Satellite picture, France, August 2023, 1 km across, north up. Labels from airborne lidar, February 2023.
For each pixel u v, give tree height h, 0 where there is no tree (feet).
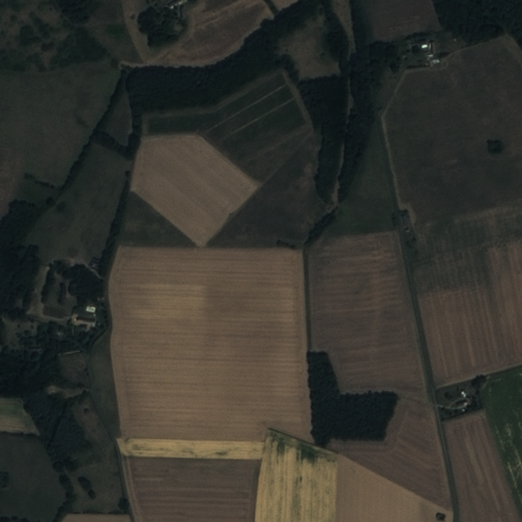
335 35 29
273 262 0
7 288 49
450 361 0
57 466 51
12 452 0
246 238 0
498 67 0
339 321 0
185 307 0
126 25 0
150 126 0
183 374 0
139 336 0
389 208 0
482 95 0
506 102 0
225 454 0
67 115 0
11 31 0
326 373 29
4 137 0
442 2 58
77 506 0
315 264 0
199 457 0
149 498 0
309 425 0
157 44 62
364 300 0
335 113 56
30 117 0
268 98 0
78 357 0
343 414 68
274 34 51
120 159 0
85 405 0
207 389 0
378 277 0
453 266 0
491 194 0
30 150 0
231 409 0
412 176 0
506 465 0
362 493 0
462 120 0
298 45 0
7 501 0
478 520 0
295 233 0
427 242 0
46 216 0
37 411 46
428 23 0
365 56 50
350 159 54
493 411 0
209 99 45
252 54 65
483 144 0
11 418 0
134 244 0
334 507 0
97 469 0
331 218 41
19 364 26
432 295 0
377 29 0
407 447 0
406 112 0
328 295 0
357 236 0
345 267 0
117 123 0
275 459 0
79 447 37
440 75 0
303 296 0
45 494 0
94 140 30
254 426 0
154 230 0
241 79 57
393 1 0
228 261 0
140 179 0
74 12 31
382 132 0
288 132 0
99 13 0
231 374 0
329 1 47
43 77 0
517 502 0
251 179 0
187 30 0
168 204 0
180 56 0
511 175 0
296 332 0
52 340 32
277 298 0
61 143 0
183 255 0
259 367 0
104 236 0
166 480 0
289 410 0
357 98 74
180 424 0
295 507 0
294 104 0
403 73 0
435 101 0
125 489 0
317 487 0
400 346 0
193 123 0
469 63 0
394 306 0
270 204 0
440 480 0
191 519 0
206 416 0
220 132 0
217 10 0
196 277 0
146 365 0
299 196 0
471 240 0
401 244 0
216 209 0
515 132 0
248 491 0
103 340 0
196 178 0
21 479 0
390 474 0
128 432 0
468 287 0
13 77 0
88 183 0
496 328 0
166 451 0
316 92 34
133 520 0
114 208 0
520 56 0
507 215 0
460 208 0
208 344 0
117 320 0
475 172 0
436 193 0
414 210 0
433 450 0
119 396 0
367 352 0
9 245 50
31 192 0
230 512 0
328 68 0
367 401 56
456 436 0
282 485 0
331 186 56
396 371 0
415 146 0
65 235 0
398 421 0
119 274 0
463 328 0
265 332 0
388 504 0
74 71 0
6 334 0
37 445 0
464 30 55
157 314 0
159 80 73
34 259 59
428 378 0
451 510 0
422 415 0
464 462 0
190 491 0
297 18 28
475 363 0
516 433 0
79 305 20
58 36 0
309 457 0
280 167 0
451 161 0
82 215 0
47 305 0
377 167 0
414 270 0
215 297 0
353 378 0
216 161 0
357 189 0
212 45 0
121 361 0
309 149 0
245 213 0
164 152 0
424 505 0
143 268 0
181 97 50
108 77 0
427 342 0
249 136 0
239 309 0
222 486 0
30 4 0
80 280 38
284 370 0
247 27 0
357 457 0
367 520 0
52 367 38
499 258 0
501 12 57
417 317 0
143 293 0
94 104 0
